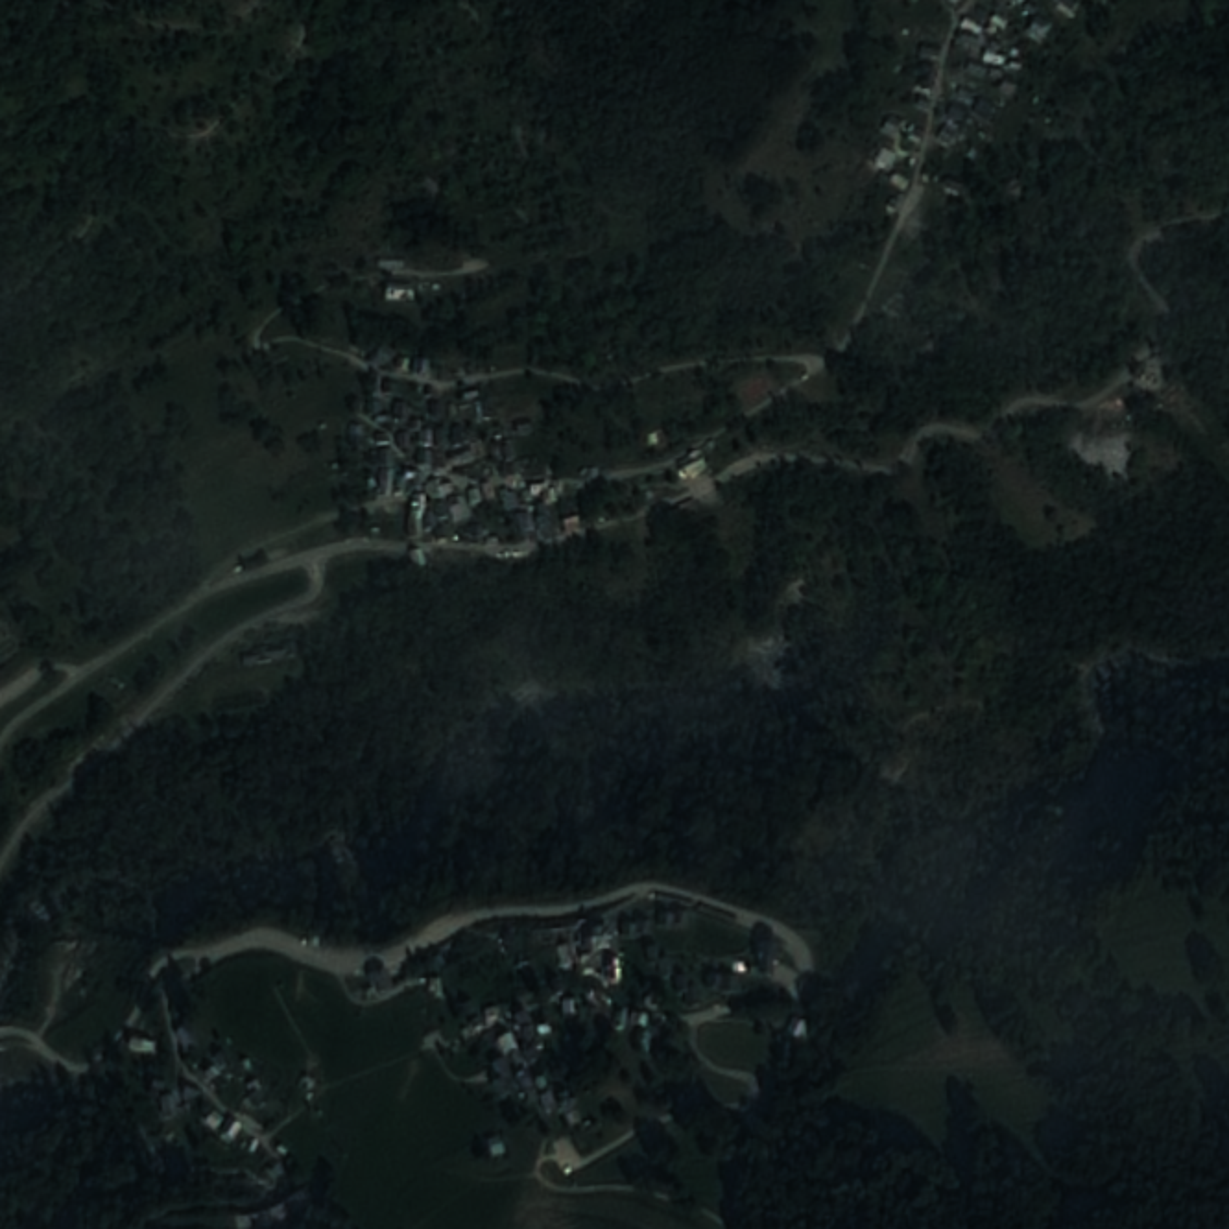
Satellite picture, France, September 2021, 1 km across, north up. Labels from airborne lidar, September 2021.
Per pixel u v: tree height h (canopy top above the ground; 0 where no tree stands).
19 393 20
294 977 0
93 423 19
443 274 0
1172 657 9
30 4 19
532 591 17
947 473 19
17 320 30
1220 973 25
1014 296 14
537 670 31
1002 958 30
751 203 17
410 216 12
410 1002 0
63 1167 21
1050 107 8
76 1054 0
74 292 29
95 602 25
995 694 14
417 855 38
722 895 16
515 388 0
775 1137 25
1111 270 11
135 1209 16
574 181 15
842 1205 24
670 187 15
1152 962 0
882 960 34
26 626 26
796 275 16
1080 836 9
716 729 30
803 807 11
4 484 20
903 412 18
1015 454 14
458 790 30
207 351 0
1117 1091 29
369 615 24
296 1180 17
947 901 20
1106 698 10
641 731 30
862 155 0
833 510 19
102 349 20
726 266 16
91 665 0
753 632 26
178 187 18
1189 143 15
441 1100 0
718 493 8
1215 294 26
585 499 15
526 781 38
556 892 10
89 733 11
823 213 0
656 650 28
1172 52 23
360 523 6
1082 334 20
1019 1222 29
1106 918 24
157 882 22
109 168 21
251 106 18
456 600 22
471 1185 0
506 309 0
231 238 18
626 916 0
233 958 0
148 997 11
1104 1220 29
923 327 14
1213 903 23
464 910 19
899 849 26
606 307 19
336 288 18
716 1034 0
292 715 16
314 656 19
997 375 17
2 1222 23
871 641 20
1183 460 10
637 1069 0
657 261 17
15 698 0
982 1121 21
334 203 15
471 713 29
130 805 30
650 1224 0
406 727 26
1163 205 10
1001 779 11
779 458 0
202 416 0
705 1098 0
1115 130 14
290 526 0
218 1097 6
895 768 15
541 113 13
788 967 0
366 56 20
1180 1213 23
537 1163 0
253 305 14
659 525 19
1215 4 25
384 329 16
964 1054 0
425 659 32
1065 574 24
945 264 16
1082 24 0
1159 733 24
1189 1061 0
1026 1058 17
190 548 25
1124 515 20
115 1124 8
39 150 14
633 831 36
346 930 28
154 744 18
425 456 0
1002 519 9
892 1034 0
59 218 24
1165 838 28
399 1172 0
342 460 9
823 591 15
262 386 15
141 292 25
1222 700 31
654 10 15
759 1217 23
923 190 0
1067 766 16
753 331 13
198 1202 14
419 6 16
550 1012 0
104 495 17
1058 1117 0
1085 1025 28
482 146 7
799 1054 24
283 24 7
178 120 16
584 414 20
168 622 0
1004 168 17
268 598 0
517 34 10
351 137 21
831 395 0
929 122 0
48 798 0
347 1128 0
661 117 13
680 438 13
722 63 20
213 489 0
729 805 27
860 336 12
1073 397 0
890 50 13
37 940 27
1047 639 20
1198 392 16
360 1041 0
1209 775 23
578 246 19
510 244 6
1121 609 23
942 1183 25
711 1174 0
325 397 0
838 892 29
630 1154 0
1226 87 24
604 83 12
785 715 35
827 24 0
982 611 16
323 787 30
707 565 16
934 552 10
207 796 6
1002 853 25
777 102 18
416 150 16
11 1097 10
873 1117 0
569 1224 0
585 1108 0
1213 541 26
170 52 13
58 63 19
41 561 23
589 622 19
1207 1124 18
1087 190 15
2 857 0
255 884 20
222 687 0
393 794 30
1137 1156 24
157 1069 7
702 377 12
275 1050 0
